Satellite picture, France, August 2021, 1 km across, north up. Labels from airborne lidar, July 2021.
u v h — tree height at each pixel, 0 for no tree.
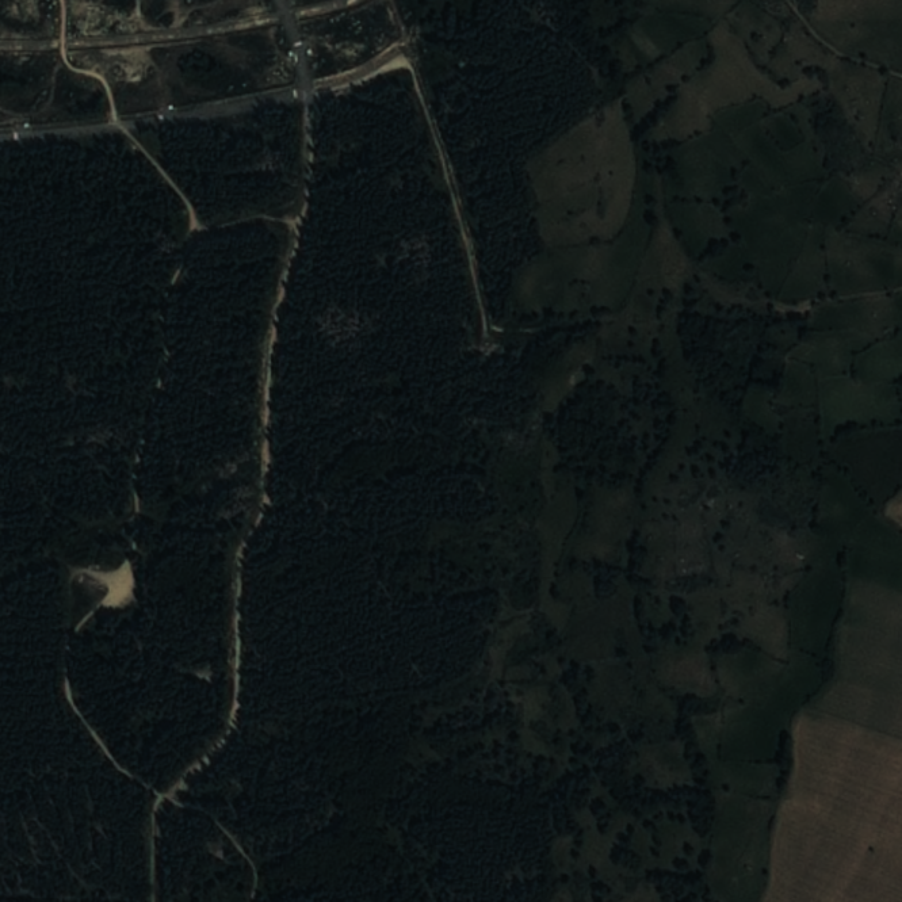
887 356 0
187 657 21
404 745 19
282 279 0
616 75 21
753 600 0
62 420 21
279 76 0
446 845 24
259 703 22
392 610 22
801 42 0
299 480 25
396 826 17
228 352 7
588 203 0
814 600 0
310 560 22
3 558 21
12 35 0
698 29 0
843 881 0
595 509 0
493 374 19
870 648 0
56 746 20
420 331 25
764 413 0
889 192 0
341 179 24
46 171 16
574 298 0
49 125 0
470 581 12
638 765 0
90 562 0
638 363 12
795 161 0
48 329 19
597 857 0
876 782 0
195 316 17
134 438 17
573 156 0
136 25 0
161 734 24
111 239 20
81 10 0
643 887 0
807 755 0
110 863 11
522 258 21
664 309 11
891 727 0
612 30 9
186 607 24
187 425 23
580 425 19
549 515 0
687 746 6
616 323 0
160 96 0
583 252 0
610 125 0
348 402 20
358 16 0
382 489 22
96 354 20
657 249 0
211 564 13
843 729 0
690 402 0
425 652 22
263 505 0
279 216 0
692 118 0
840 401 0
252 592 17
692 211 0
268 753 19
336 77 0
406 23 0
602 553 0
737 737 0
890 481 0
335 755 21
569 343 15
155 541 24
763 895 0
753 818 0
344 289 22
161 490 25
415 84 0
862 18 0
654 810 23
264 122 22
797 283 0
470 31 23
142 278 23
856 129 0
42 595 18
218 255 25
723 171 0
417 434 18
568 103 24
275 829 23
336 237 20
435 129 0
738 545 0
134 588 0
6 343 22
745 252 0
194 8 0
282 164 25
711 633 0
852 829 0
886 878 0
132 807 24
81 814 18
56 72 0
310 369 21
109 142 20
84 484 19
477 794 18
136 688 25
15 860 19
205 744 23
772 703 0
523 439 5
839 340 0
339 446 26
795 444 0
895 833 0
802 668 0
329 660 26
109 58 0
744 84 0
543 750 0
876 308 0
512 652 0
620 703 0
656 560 0
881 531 0
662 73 0
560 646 15
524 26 20
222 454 22
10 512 16
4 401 18
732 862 0
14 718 22
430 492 25
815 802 0
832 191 0
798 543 0
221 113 0
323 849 23
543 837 24
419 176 21
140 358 21
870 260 0
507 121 25
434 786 17
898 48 0
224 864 14
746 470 14
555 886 15
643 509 9
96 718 21
